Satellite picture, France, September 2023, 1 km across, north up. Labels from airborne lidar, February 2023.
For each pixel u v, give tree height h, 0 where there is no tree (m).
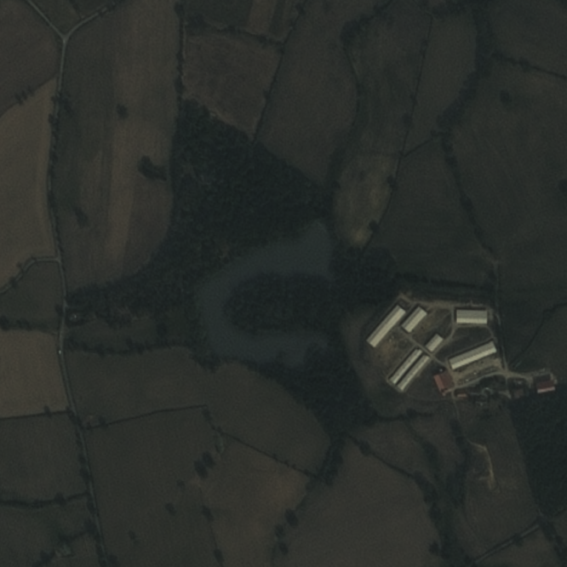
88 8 0
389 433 0
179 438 0
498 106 0
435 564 0
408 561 0
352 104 0
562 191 12
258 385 0
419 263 0
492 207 0
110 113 0
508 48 0
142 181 0
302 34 0
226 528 0
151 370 0
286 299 21
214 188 24
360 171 0
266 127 0
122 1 7
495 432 0
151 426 0
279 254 0
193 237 25
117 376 0
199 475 8
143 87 0
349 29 17
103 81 0
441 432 0
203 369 13
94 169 0
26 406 0
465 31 0
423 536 0
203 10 0
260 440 0
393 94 0
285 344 0
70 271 0
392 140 0
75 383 0
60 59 0
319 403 14
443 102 0
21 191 0
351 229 0
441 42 0
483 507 0
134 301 16
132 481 0
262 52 0
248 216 23
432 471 0
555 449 23
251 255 0
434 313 0
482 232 11
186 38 0
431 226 0
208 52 0
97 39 0
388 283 16
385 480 0
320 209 9
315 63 0
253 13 0
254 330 13
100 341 0
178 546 0
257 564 0
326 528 0
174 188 15
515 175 0
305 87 0
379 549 0
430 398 0
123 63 0
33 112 0
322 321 25
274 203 21
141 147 0
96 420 0
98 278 0
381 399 0
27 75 0
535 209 0
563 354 0
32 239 0
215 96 0
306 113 0
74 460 0
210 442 0
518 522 0
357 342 0
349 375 17
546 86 0
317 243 0
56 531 0
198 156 18
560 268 0
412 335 0
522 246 0
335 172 0
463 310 0
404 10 0
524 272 0
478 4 16
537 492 17
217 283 0
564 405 22
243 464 0
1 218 0
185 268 19
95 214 0
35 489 0
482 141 0
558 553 16
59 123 7
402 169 0
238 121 0
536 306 0
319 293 23
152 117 0
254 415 0
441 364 0
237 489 0
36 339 0
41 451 0
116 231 0
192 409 0
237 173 24
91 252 0
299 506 0
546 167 0
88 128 0
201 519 0
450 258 0
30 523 0
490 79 0
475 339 0
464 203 16
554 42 0
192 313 15
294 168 0
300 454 0
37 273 0
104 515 0
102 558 8
